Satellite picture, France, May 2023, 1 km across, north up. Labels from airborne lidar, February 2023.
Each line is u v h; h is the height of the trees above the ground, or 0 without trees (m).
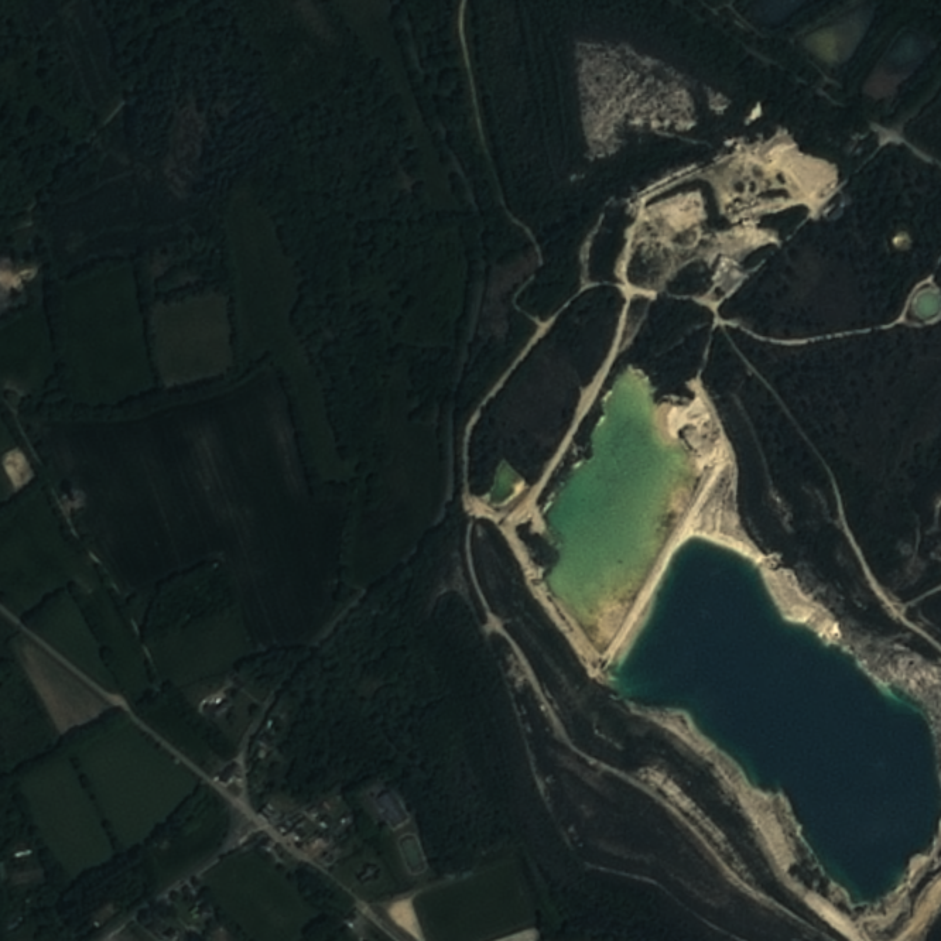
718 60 11
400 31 10
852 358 11
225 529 0
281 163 17
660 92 0
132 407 16
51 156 15
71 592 11
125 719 19
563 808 0
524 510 0
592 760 0
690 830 0
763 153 0
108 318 0
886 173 10
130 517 0
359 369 17
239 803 0
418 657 11
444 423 9
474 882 0
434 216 9
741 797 0
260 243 0
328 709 9
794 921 0
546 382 0
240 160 21
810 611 0
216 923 9
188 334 0
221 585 12
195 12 15
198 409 0
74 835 0
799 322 13
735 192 0
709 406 0
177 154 0
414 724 14
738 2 7
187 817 6
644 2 12
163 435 0
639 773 0
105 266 12
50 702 0
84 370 0
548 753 0
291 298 0
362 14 0
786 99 7
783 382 13
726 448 0
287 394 11
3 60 14
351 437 19
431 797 10
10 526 0
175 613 9
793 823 0
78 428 0
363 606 12
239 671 14
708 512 0
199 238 8
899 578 0
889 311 7
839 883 0
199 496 0
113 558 0
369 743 13
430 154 0
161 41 18
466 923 0
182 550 0
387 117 10
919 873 0
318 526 0
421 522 0
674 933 6
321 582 0
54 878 21
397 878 0
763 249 7
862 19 0
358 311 8
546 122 7
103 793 0
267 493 0
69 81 0
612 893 7
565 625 0
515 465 6
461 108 13
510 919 0
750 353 11
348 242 17
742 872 0
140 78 17
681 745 0
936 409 0
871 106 8
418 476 0
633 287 0
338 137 14
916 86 12
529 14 10
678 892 0
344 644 6
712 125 8
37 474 10
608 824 0
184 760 0
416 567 15
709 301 0
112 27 13
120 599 9
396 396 0
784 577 0
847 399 14
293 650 10
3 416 9
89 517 0
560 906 9
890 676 0
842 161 9
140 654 0
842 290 0
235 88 25
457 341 8
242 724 0
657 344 8
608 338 0
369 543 0
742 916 0
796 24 8
